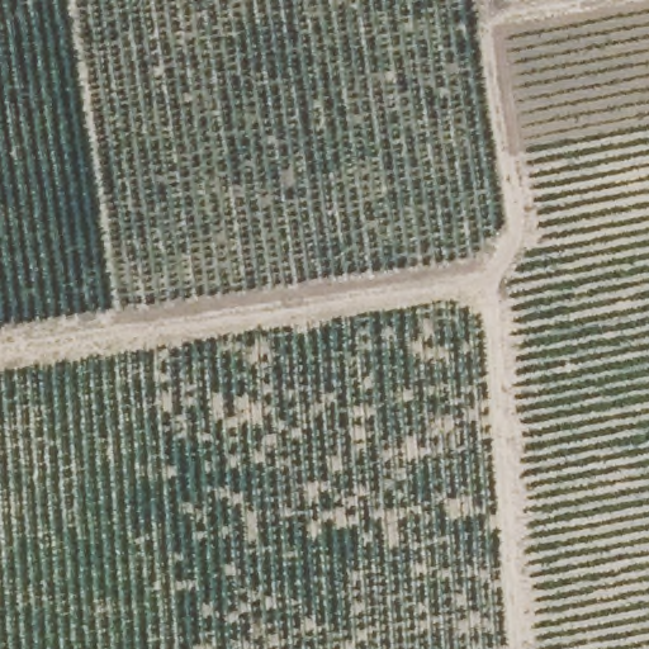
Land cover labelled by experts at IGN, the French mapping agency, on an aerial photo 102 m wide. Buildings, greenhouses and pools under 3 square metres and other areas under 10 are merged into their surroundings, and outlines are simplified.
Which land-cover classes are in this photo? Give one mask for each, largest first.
<instances>
[{"label":"vineyard","instance_id":"1","mask_svg":"<svg viewBox=\"0 0 649 649\"><path fill-rule=\"evenodd\" d=\"M479 20L474 0H0V327L48 317H71L81 312H106L109 307L162 304L172 299L251 292L261 286L302 284L342 274L428 266L466 259L474 254H492L494 238L504 226V203L497 175L492 122L487 109L482 48L477 38ZM497 84L507 127V152L515 157L517 180L530 177L532 200L525 205V213H537L540 226L537 246L520 251L515 256V276L502 279L515 292L510 299H522V304L512 307V335H522V345L517 347V385H537V390L515 395L525 436L520 461L522 484L527 487L525 520L530 535V545L525 548V565L520 568V573L532 578L535 591H543V596L535 598L537 624L535 644L530 649H649V5L601 15H565L527 23H502L494 28ZM487 347L482 314H472L454 299H434L403 309L335 317L327 325L314 327L309 332H294L292 327H256L238 335L193 340L183 347L155 345L150 350L119 352L109 357L89 355L84 360H61L53 365L0 370V649H510L504 631V593L497 530L499 525L494 517L497 484L492 456Z\"/></svg>","mask_w":649,"mask_h":649},{"label":"pervious surface","instance_id":"2","mask_svg":"<svg viewBox=\"0 0 649 649\"><path fill-rule=\"evenodd\" d=\"M649 5V0H474L479 20L477 38L482 48L487 109L492 122L497 175L504 203V226L494 238L492 254H474L466 259L428 266L342 274L302 284L261 286L251 292L172 299L162 304L109 307L106 312H81L71 317H48L0 327V370L53 365L61 360H84L89 355L109 357L119 352L150 350L155 345L183 347L193 340L238 335L256 327H292L294 332H309L314 327L327 325L335 317L403 309L434 299H454L472 314H482L487 347L492 456L497 484L494 517L499 525L497 530L504 593V631L510 649H530L535 644L537 624L535 598L543 596V591H535L532 578L520 573V568L525 565V548L530 545V535L525 520L527 487L522 484L520 461L525 436L515 395L537 390V385H517V347L522 345V335H512V307L522 304V299H510L515 292L502 279L515 276V256L520 251L537 246L540 226L537 213H525V205L532 200L530 177L517 180L515 157L507 152V127L497 84L494 28L502 23H527L565 15H601Z\"/></svg>","mask_w":649,"mask_h":649}]
</instances>
